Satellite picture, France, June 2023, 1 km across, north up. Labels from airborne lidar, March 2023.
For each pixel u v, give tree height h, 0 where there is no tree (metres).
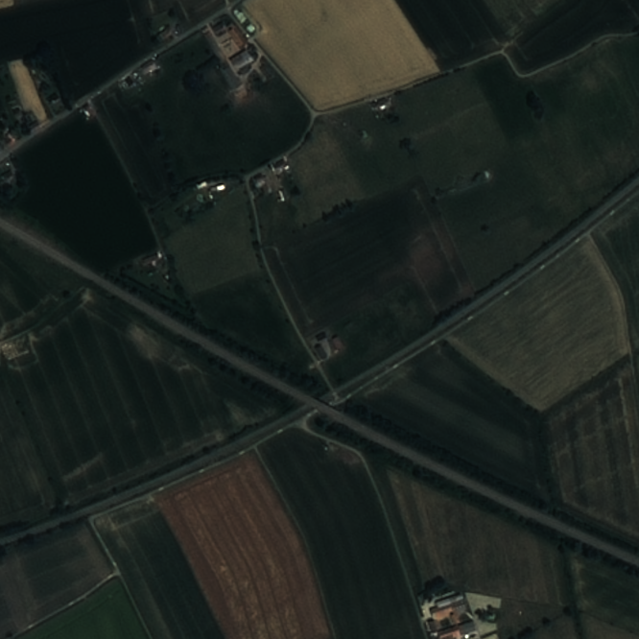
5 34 0
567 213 0
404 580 0
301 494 0
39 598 0
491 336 0
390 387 0
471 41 0
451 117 0
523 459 0
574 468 0
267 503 0
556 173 0
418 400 0
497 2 0
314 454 0
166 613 0
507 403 0
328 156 0
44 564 0
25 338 0
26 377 0
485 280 0
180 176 0
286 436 0
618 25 0
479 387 0
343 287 0
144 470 0
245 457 0
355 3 0
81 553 0
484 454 0
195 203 0
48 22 0
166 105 0
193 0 0
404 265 0
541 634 0
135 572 0
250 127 0
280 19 0
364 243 0
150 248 0
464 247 0
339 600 0
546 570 0
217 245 0
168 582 0
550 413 0
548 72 0
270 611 0
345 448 0
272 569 0
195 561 0
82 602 0
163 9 0
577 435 0
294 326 0
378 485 0
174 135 0
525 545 0
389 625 0
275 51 0
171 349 0
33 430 0
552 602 0
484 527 0
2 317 0
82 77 0
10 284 0
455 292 0
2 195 19
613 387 0
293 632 0
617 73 0
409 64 0
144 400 0
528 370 0
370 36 0
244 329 0
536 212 0
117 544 0
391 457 9
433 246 0
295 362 0
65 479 0
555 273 0
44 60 26
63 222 0
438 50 0
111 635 0
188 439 0
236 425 0
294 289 0
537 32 0
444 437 0
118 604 0
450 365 0
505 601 0
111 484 0
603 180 0
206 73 0
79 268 0
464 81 0
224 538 0
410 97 0
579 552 11
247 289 0
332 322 0
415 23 0
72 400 0
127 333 0
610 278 0
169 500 0
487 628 0
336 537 0
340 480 0
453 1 0
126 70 0
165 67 0
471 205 0
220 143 0
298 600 0
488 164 0
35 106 0
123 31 0
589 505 0
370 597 0
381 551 0
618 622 0
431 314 0
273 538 0
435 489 0
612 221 0
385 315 0
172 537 0
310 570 0
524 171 0
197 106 0
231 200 0
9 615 0
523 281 0
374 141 0
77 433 0
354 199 0
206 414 0
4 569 0
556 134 0
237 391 0
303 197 0
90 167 0
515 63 0
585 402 0
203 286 0
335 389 0
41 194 0
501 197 0
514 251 0
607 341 0
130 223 0
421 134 0
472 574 0
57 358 0
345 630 0
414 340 0
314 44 0
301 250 0
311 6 0
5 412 0
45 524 0
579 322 0
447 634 0
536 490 0
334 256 0
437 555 0
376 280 0
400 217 0
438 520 0
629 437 0
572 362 0
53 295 0
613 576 0
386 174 0
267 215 0
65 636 0
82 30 0
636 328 0
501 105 0
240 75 0
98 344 0
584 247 0
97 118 0
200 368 0
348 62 0
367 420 8
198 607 0
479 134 0
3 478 0
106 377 0
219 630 0
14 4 0
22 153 0
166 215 0
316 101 0
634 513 0
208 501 0
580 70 0
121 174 0
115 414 0
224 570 0
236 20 0
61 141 0
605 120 0
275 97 0
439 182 0
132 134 0
